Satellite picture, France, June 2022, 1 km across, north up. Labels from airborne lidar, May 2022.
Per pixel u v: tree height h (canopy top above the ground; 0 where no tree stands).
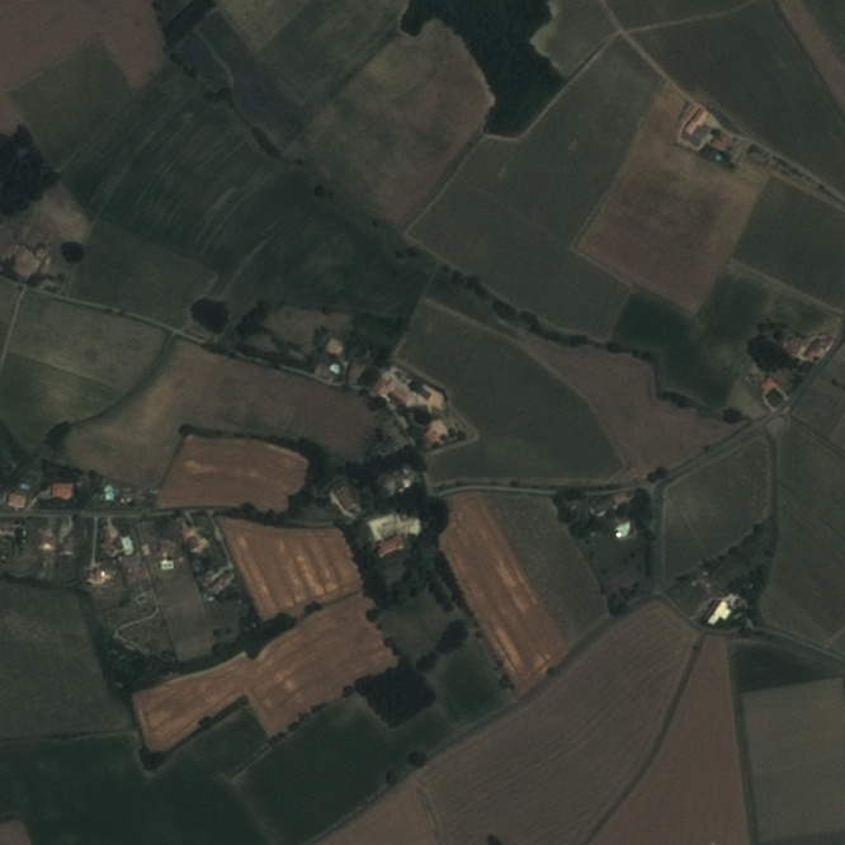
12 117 0
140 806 0
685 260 0
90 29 0
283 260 0
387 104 0
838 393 0
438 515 16
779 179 0
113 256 0
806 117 0
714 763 0
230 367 0
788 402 0
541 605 0
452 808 0
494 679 0
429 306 0
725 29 0
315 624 0
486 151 0
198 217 0
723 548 0
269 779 0
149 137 0
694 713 0
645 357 9
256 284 0
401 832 0
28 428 0
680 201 0
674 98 0
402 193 0
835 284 0
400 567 0
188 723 0
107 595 0
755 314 0
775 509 0
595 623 0
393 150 0
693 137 0
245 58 0
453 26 10
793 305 0
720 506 0
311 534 0
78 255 20
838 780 0
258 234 0
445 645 13
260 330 13
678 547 0
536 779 0
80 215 0
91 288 0
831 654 0
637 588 14
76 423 0
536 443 0
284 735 12
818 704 0
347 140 0
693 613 0
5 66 0
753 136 0
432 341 0
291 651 0
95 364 0
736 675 0
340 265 0
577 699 0
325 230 0
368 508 8
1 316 0
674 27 0
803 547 0
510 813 0
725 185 0
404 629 0
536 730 0
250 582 0
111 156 0
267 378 0
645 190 0
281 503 0
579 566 0
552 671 9
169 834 0
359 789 0
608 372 0
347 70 0
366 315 8
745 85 0
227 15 0
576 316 0
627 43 0
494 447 0
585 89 0
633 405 0
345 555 0
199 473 0
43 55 0
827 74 0
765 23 0
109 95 0
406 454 16
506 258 0
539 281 0
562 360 0
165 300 0
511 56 13
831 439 0
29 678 0
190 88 0
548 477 0
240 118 0
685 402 18
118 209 0
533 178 0
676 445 0
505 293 0
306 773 0
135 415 0
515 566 0
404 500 18
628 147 0
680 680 0
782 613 0
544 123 0
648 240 0
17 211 35
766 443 0
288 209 0
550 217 0
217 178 0
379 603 9
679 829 0
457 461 0
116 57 0
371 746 0
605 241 0
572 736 0
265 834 0
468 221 0
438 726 0
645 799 0
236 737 0
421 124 0
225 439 0
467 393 0
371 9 0
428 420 16
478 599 0
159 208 0
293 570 0
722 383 0
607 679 0
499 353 0
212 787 0
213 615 0
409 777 0
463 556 0
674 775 0
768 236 0
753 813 0
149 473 0
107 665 6
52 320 0
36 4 0
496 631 0
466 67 0
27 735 0
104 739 0
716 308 0
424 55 0
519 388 0
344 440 0
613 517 17
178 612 0
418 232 0
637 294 0
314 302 0
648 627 0
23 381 0
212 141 0
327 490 6
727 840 0
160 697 0
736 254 0
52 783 0
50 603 0
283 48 0
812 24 0
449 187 0
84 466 0
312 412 0
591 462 0
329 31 0
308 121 0
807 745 0
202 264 0
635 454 0
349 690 14
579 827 0
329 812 0
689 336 0
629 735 0
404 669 12
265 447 0
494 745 0
